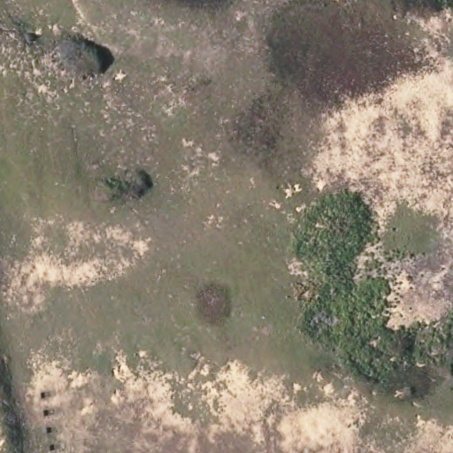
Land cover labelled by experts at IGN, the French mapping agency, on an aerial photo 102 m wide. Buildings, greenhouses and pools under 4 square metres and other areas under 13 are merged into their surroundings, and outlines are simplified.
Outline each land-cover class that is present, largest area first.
<instances>
[{"label":"herbaceous vegetation","instance_id":"1","mask_svg":"<svg viewBox=\"0 0 453 453\"><path fill-rule=\"evenodd\" d=\"M182 7L203 9L207 12L230 9L234 5V0H175ZM444 9L453 11V0H292L283 7H276L271 16L273 27L265 34V42L271 50V57L265 60L258 51L228 53L225 71H219L207 80H196L191 74L180 78L182 57L172 55L170 58L157 57L142 62L134 55H113V64L108 67L106 73H103L83 80L78 71H65L62 78H51L50 87L46 88L44 94L39 90H35L34 94H27V78H18L9 88L5 110L0 111V264L4 267V273H7L16 262H25V258L28 257V250L35 235L32 226L23 221V211L27 209H32L39 218L48 219L53 216V212L65 214V209L73 211L76 216L80 211H88L90 218L97 223H106L110 228L119 226L124 219L129 218L131 223H140L145 234L150 237L147 251L138 258L136 267H127L126 273L120 278L97 280L94 285H55L51 296L42 301L44 310L37 313H23L16 306L5 303L0 294V340L11 347L12 389L16 395L23 398L32 386L34 377L30 365L32 354H41L44 363L60 361L67 357L76 372L111 375L113 366L117 363V356H126L127 366L129 370H133L138 366L140 350H147L152 361H161V372L188 375L198 366L195 354L203 347H216L223 352H234L237 347H241L242 338L250 336L253 327H273L269 334L274 343L271 354L278 359L283 375H292L296 377L297 384H304L315 372L310 366V356L320 354L313 350L310 336L301 331L304 313L310 310V304L297 301L294 287L301 276L290 274L288 269V264L296 258L294 235L299 230L303 232L306 219L304 211H311L319 205L322 189L313 184L310 177L303 175V168H308L311 161L303 156L297 145L303 142L304 136L313 131L308 127L310 119L326 111L329 92L338 87L336 80L342 76L356 78L361 73H373L375 65H382L388 69L389 65L400 62L405 69V57L411 55L414 58L412 41L405 37L407 12L418 14L419 18L430 19ZM142 168L152 179V189L149 193L142 198L126 195V202L113 205L108 188L104 186L106 179L117 177L140 186L142 177L138 175V170ZM442 237L437 232L435 214L412 211L407 207V200H402L396 205L395 212L388 216L386 234H379L377 221L372 225L368 244L382 242L384 257L388 262L412 258L414 267L411 273L407 274L409 283L418 278L419 271L439 273L441 265L444 264Z\"/></svg>","mask_w":453,"mask_h":453},{"label":"bare soil","instance_id":"2","mask_svg":"<svg viewBox=\"0 0 453 453\"><path fill-rule=\"evenodd\" d=\"M292 0H234V5L230 9L207 12L203 9L182 7L175 0H0V111L5 110L9 88L18 78H27V94H34L35 90H39L44 94L46 88L50 87L51 78H62L65 71H78L83 80L103 73L99 71V58L85 48V44H73L74 35H83L90 41L101 44L113 55H134L142 62L157 57L170 58L172 55L182 57L180 78L191 74L196 80H207L219 71H225L228 53L258 51L265 60L271 57V50L265 42V34L273 27L271 16L276 7H283ZM405 37L412 41L414 58L411 55L405 57V69L400 62L389 65L388 69L382 65H375L373 73H361L356 78L342 76L336 80L338 87L329 92L326 111L310 119L308 127L313 131L304 136L303 142L297 145L303 156L311 161L308 168H303V175L310 177L313 184L322 189L326 188L331 195H338L345 189L361 193L363 202L372 209L373 218L377 221L379 234H386L388 216L395 212L396 205L402 200H407V207L412 211L435 214L437 232L442 237L444 264L441 265L439 273L419 271L418 278L409 283L407 274L411 273L414 267L412 258L388 262L384 257L382 242L368 244L357 257L354 281L359 283L366 280V276L388 280L391 294L382 297L388 299L391 308V319L388 322L391 329L412 326L414 322L428 324L453 310V11L444 9L430 19L419 18L418 14L407 12ZM23 221L32 226L35 235L28 250V257L25 258V262H16L7 273H4V267L0 264V294L5 303L16 306L23 313H37L44 310L42 301L51 296L55 285H94L97 280L120 278L126 273L127 267H136L138 258L147 251L150 237L145 234L140 223H131L129 218L124 219L119 226L110 228L106 223H97L90 218L88 211H80L76 216L73 211L65 209V214L53 212V216L48 219L39 218L32 209H27L23 211ZM288 269L290 274L301 276L294 287L297 301L310 304H317L319 301L322 285L308 276V271L301 269V262L296 258L288 264ZM273 327H253L250 336L242 338L241 347H237L234 352H223L216 347H203L195 354L198 366L188 375L161 372V361H152L147 350H140L138 366L133 370H129L127 366L126 356H117V363L113 366L111 375L76 372L67 357L60 361L44 363L41 354H32L30 365L34 377L32 386L23 398L16 395L12 389L11 347L0 340V453H453V373L449 372L448 368L439 366L437 375L442 377L441 386L430 389V393L419 402H412L411 405H391L386 396L377 389L368 391L366 395L359 393L354 375L333 372L324 379L322 373L315 372L304 384H297L296 377L292 375H283L278 359L271 354L274 343L269 334Z\"/></svg>","mask_w":453,"mask_h":453},{"label":"brushwood","instance_id":"3","mask_svg":"<svg viewBox=\"0 0 453 453\"><path fill-rule=\"evenodd\" d=\"M73 44H85V48L99 58V71L103 73H106L108 67L113 64V55L101 44L90 41L83 35H74ZM138 175L142 177L140 186L117 177L106 179L104 186L108 188L113 205L126 202V195L142 198L149 193L152 189V179L142 168L138 170ZM306 219L303 232L299 230L294 235L296 258L301 262V269L308 271V276L322 285L319 301L317 304H310V310L304 313L301 331L310 336L313 350L320 354L310 356V366L315 372L322 373L324 379L333 372L354 375L359 393L366 395L368 391L377 389L386 396L391 405H411L412 402H419L430 393V389L441 386L442 377L437 375L439 366L448 368L449 372L453 373V310L428 324L414 322L412 326L391 329L388 322L391 319V308L388 299L382 297L391 294L388 280L366 276V280L359 283L354 281L357 257L368 244L372 225L377 221L373 218L372 209L363 202L361 193L345 189L338 195H331L326 188L322 189L319 205L311 211H304Z\"/></svg>","mask_w":453,"mask_h":453}]
</instances>
